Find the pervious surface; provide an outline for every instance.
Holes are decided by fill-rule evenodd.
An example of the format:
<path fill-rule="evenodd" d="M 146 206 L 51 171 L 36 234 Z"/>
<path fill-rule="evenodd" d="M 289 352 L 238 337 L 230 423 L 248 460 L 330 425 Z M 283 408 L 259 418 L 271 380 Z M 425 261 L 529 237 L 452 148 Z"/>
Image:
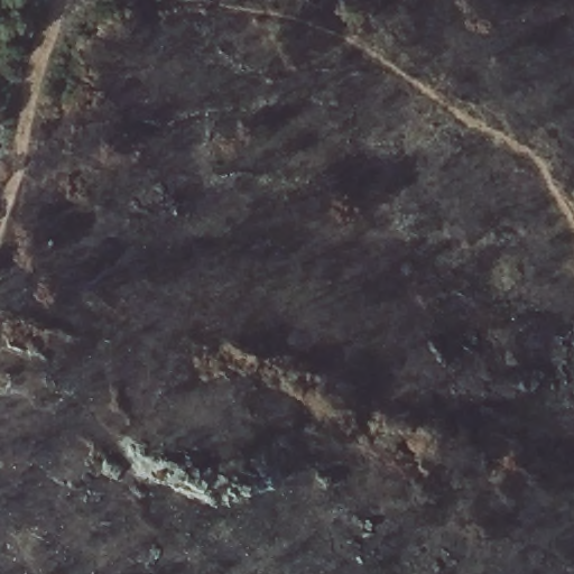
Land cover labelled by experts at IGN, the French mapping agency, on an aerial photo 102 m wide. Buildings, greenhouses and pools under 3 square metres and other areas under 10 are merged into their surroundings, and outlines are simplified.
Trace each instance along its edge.
<path fill-rule="evenodd" d="M 520 144 L 513 135 L 496 130 L 482 119 L 469 117 L 462 108 L 453 108 L 453 114 L 462 123 L 478 132 L 484 132 L 493 139 L 493 144 L 504 144 L 513 152 L 529 157 L 538 166 L 547 191 L 552 193 L 570 229 L 574 231 L 574 202 L 565 197 L 563 188 L 556 184 L 552 175 L 549 164 L 534 148 Z"/>
<path fill-rule="evenodd" d="M 363 54 L 395 72 L 404 83 L 417 87 L 428 99 L 437 99 L 439 92 L 435 92 L 424 81 L 410 76 L 397 63 L 392 63 L 381 49 L 370 45 Z"/>
<path fill-rule="evenodd" d="M 0 247 L 25 173 L 16 170 L 11 182 L 7 184 L 4 211 L 0 217 Z"/>
<path fill-rule="evenodd" d="M 54 20 L 47 27 L 43 45 L 31 54 L 29 83 L 31 94 L 18 119 L 16 150 L 29 150 L 34 121 L 36 108 L 49 101 L 49 96 L 43 92 L 43 83 L 47 76 L 49 56 L 58 43 L 63 27 L 58 20 Z"/>

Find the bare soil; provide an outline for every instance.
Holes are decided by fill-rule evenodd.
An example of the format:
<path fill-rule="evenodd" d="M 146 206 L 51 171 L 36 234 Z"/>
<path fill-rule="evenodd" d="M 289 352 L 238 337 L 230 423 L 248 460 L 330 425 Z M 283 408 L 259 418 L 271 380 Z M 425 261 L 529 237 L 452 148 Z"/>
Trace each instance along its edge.
<path fill-rule="evenodd" d="M 119 0 L 117 11 L 132 11 L 132 16 L 121 22 L 121 31 L 108 31 L 99 43 L 81 52 L 85 70 L 99 72 L 101 92 L 83 92 L 78 110 L 65 112 L 65 117 L 45 119 L 40 123 L 34 121 L 29 150 L 16 150 L 18 119 L 31 94 L 29 83 L 16 85 L 0 76 L 0 217 L 4 211 L 7 184 L 11 182 L 16 170 L 25 173 L 0 247 L 0 574 L 574 574 L 574 231 L 570 229 L 552 193 L 547 191 L 538 166 L 529 157 L 513 152 L 504 144 L 493 144 L 493 139 L 484 132 L 478 132 L 462 123 L 453 114 L 453 108 L 462 108 L 469 117 L 482 119 L 496 130 L 513 135 L 520 144 L 534 148 L 549 164 L 552 175 L 556 184 L 563 188 L 565 197 L 574 202 L 574 0 Z M 437 99 L 428 99 L 417 87 L 404 83 L 395 72 L 363 54 L 370 45 L 381 49 L 392 63 L 397 63 L 410 76 L 424 81 L 435 92 L 439 92 Z M 193 365 L 193 357 L 202 357 L 204 345 L 209 345 L 211 357 L 222 348 L 226 354 L 244 363 L 256 363 L 256 359 L 269 359 L 274 365 L 289 372 L 321 374 L 325 379 L 323 399 L 334 410 L 341 410 L 341 415 L 336 419 L 316 417 L 305 404 L 291 399 L 287 392 L 269 390 L 262 377 L 256 372 L 231 372 L 229 377 L 222 374 L 213 381 L 202 381 Z M 431 433 L 433 439 L 437 439 L 435 457 L 424 457 L 428 475 L 422 475 L 417 471 L 417 460 L 413 460 L 410 464 L 401 464 L 404 473 L 392 473 L 379 466 L 370 469 L 368 457 L 357 451 L 357 439 L 370 428 L 374 413 L 386 415 L 390 426 L 395 424 L 415 431 L 424 428 Z"/>

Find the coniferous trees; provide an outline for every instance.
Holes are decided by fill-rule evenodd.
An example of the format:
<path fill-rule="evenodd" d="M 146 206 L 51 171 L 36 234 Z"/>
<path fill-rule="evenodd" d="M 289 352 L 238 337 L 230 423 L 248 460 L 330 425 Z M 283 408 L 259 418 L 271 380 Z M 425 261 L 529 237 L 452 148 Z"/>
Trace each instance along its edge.
<path fill-rule="evenodd" d="M 121 22 L 132 16 L 132 11 L 117 11 L 119 0 L 0 0 L 0 76 L 16 85 L 29 83 L 31 54 L 43 45 L 47 27 L 54 20 L 58 20 L 63 27 L 58 43 L 49 56 L 47 76 L 43 83 L 43 92 L 49 96 L 49 101 L 36 108 L 34 121 L 40 123 L 45 119 L 65 117 L 65 112 L 78 110 L 83 92 L 101 92 L 99 72 L 85 70 L 81 52 L 99 43 L 108 31 L 121 31 Z"/>
<path fill-rule="evenodd" d="M 325 379 L 321 374 L 289 372 L 274 365 L 269 359 L 256 359 L 256 363 L 244 363 L 226 354 L 222 348 L 211 357 L 209 345 L 204 345 L 202 357 L 193 357 L 193 365 L 202 381 L 213 381 L 222 374 L 229 377 L 231 372 L 256 372 L 262 377 L 269 390 L 287 392 L 291 399 L 305 404 L 316 417 L 336 419 L 341 415 L 341 410 L 334 410 L 323 399 Z"/>
<path fill-rule="evenodd" d="M 379 466 L 392 473 L 404 473 L 401 464 L 410 464 L 413 460 L 417 460 L 417 471 L 422 475 L 428 475 L 424 457 L 435 457 L 437 439 L 433 439 L 431 433 L 424 428 L 415 431 L 395 424 L 390 426 L 386 415 L 374 413 L 370 428 L 357 439 L 357 451 L 368 457 L 370 469 Z"/>

